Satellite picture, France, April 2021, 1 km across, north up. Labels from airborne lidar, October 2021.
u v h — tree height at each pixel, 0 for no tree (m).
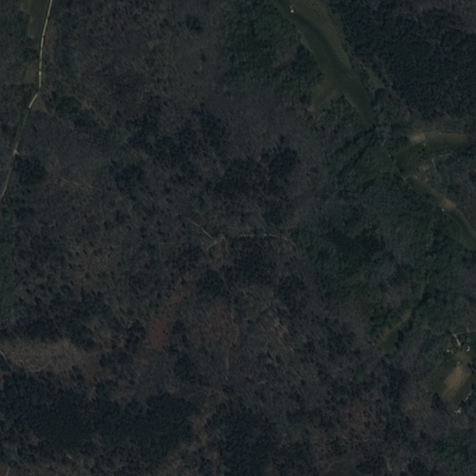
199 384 8
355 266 12
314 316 11
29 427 23
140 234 6
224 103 11
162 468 17
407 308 23
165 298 12
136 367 11
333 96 0
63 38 6
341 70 0
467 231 0
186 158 23
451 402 0
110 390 11
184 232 7
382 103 15
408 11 9
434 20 12
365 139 14
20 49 18
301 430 10
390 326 16
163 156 23
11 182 10
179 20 11
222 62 15
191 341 12
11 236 11
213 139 17
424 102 19
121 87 8
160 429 23
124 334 19
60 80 21
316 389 12
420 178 13
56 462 21
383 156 20
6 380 6
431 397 14
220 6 12
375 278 18
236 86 20
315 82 9
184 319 10
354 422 20
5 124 20
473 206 17
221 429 16
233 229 10
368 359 11
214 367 11
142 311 15
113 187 15
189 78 15
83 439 23
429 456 13
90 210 10
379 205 28
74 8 19
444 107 22
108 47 13
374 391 15
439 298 18
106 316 22
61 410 22
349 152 20
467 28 21
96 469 13
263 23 25
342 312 12
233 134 7
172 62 17
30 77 0
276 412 12
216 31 13
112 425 19
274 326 13
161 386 11
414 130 20
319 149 12
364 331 14
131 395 18
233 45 7
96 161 15
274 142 11
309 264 10
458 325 23
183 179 10
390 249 15
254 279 13
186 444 20
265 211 13
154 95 8
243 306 14
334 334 20
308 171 9
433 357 13
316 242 23
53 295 21
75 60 16
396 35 20
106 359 6
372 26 21
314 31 0
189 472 12
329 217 16
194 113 6
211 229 6
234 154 13
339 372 12
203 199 17
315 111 0
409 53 21
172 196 25
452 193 23
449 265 18
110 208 13
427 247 25
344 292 9
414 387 16
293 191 11
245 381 13
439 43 9
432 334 14
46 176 27
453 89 23
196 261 15
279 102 9
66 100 7
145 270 7
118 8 12
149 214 15
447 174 15
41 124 13
